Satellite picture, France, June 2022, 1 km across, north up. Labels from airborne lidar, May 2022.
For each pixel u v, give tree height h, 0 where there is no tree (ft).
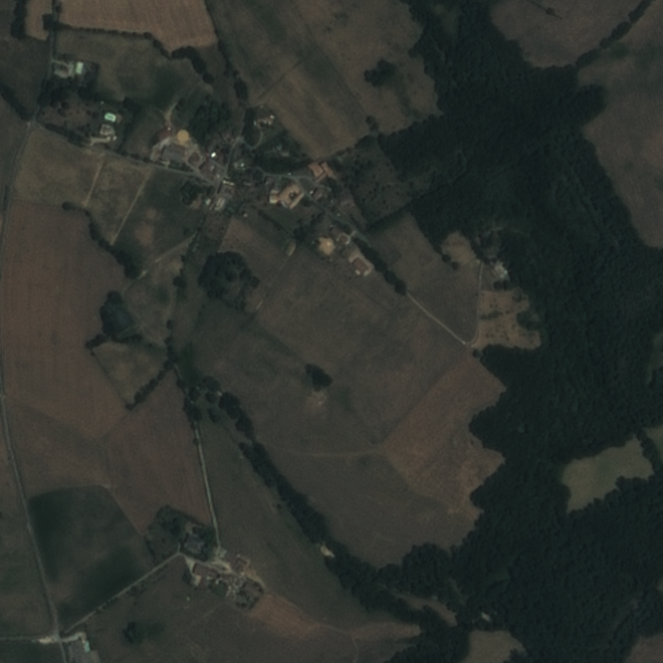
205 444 0
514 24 0
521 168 48
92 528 0
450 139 60
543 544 66
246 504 0
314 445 0
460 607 49
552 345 34
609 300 47
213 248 0
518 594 72
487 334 0
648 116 0
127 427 0
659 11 0
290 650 0
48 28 56
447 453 0
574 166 52
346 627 0
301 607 0
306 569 0
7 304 0
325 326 0
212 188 31
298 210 0
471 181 52
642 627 39
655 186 0
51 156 0
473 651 0
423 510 0
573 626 63
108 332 53
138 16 0
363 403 0
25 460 0
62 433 0
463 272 0
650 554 60
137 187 0
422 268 0
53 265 0
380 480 0
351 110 0
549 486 65
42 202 0
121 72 0
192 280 0
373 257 47
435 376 0
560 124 45
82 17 0
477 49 47
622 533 45
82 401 0
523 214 39
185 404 31
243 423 52
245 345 0
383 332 0
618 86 0
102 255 0
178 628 0
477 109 60
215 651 0
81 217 0
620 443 71
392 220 30
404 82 0
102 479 0
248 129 36
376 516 0
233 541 0
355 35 0
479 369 0
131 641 86
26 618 0
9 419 0
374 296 0
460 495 0
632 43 0
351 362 0
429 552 64
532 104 63
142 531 0
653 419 45
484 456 0
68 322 0
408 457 0
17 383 0
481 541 69
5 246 0
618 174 0
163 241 0
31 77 0
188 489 0
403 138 61
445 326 0
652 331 57
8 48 0
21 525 0
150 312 0
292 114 0
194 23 0
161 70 0
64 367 0
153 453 0
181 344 0
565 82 58
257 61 0
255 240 0
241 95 53
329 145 0
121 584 0
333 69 0
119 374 0
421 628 29
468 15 45
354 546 0
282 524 0
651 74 0
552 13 32
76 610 0
